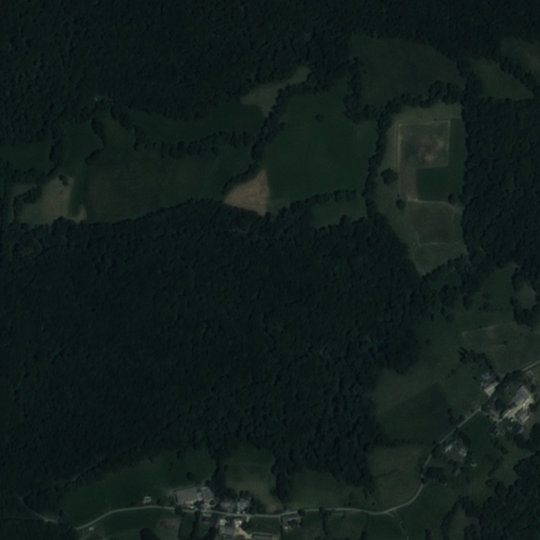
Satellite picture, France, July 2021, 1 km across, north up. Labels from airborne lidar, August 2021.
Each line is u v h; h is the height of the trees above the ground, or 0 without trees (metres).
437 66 0
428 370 0
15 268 25
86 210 0
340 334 32
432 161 0
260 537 0
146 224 29
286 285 32
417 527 0
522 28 16
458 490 0
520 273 16
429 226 0
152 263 32
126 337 29
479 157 17
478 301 0
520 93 0
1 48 25
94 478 14
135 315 32
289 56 31
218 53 29
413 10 18
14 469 26
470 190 27
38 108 27
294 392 29
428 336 0
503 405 11
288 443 21
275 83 17
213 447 25
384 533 0
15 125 27
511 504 25
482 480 0
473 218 22
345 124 0
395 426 0
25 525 20
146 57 25
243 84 25
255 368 33
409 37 22
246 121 0
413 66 0
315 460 36
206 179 0
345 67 24
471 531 11
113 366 30
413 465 0
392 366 29
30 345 36
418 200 0
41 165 0
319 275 27
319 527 0
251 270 31
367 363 34
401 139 0
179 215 28
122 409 25
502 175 18
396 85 0
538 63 0
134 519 0
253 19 27
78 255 31
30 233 15
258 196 0
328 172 0
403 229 0
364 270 32
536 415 0
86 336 27
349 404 40
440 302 15
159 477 0
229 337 32
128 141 0
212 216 27
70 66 32
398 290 32
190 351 32
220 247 27
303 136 0
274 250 29
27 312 33
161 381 31
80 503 0
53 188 0
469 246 18
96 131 19
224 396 26
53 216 0
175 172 0
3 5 32
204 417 22
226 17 20
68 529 23
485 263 23
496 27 23
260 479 0
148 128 0
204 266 27
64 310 34
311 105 0
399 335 34
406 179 0
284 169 0
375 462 0
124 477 0
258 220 19
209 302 29
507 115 23
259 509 11
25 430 25
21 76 26
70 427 18
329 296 27
